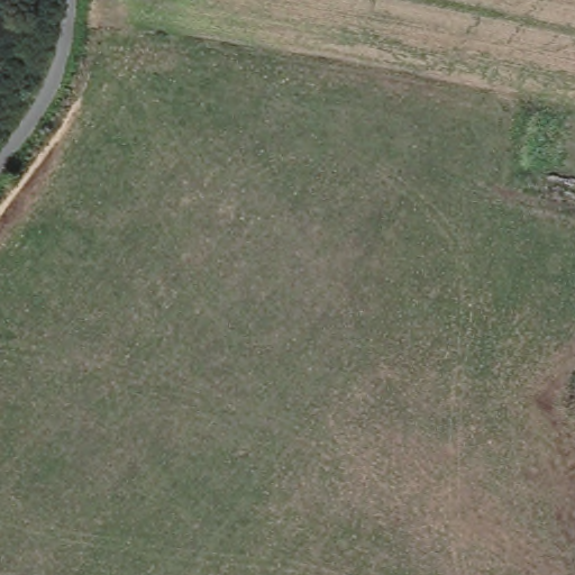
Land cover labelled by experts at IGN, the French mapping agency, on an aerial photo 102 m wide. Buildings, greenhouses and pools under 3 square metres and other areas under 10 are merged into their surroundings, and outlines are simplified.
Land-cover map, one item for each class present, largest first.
<instances>
[{"label":"agricultural land","instance_id":"1","mask_svg":"<svg viewBox=\"0 0 575 575\"><path fill-rule=\"evenodd\" d=\"M90 25L85 27L88 40L83 43V52L72 81L74 101H81V112L76 115L65 137L67 146L58 144L43 159L31 180L20 189L16 200L0 218V575H575V173L557 168L564 164L566 144L571 139V128L566 126V119L575 112V0H92L88 13Z\"/></svg>","mask_w":575,"mask_h":575},{"label":"brushwood","instance_id":"2","mask_svg":"<svg viewBox=\"0 0 575 575\"><path fill-rule=\"evenodd\" d=\"M92 0H76L72 47L65 61L61 88L47 106L40 121L36 124L34 133L7 159L0 173V200L20 180L25 168L36 157V153L47 144V139L56 133L67 108L74 101L72 81L83 52V43L88 40L85 27L90 25L88 13ZM63 16L58 9H45L40 4V13L31 18L29 25L16 27L2 25L0 20V153L4 150L11 133L20 126L29 106L36 101V94L49 72L56 43L61 36Z\"/></svg>","mask_w":575,"mask_h":575},{"label":"impervious surface","instance_id":"3","mask_svg":"<svg viewBox=\"0 0 575 575\"><path fill-rule=\"evenodd\" d=\"M76 0H67L63 16L61 36L56 43L49 72L36 94V101L29 106L20 126L11 133L4 150L0 153V173L7 159L34 133L36 124L40 121L47 106L61 88L65 61L72 47Z\"/></svg>","mask_w":575,"mask_h":575},{"label":"pervious surface","instance_id":"4","mask_svg":"<svg viewBox=\"0 0 575 575\"><path fill-rule=\"evenodd\" d=\"M81 112V101H74L67 108L56 133L47 139V144L36 153V157L25 168L20 180L0 200V218L16 200L20 189L31 180L43 159L58 144L67 146L65 137L76 115Z\"/></svg>","mask_w":575,"mask_h":575},{"label":"deciduous trees","instance_id":"5","mask_svg":"<svg viewBox=\"0 0 575 575\"><path fill-rule=\"evenodd\" d=\"M40 4L45 9H58L63 16L67 0H0V20L2 25L16 27L29 25L31 18L40 13Z\"/></svg>","mask_w":575,"mask_h":575},{"label":"herbaceous vegetation","instance_id":"6","mask_svg":"<svg viewBox=\"0 0 575 575\"><path fill-rule=\"evenodd\" d=\"M566 126L571 128V139L566 144L564 164L557 168L575 173V112L566 119Z\"/></svg>","mask_w":575,"mask_h":575}]
</instances>
